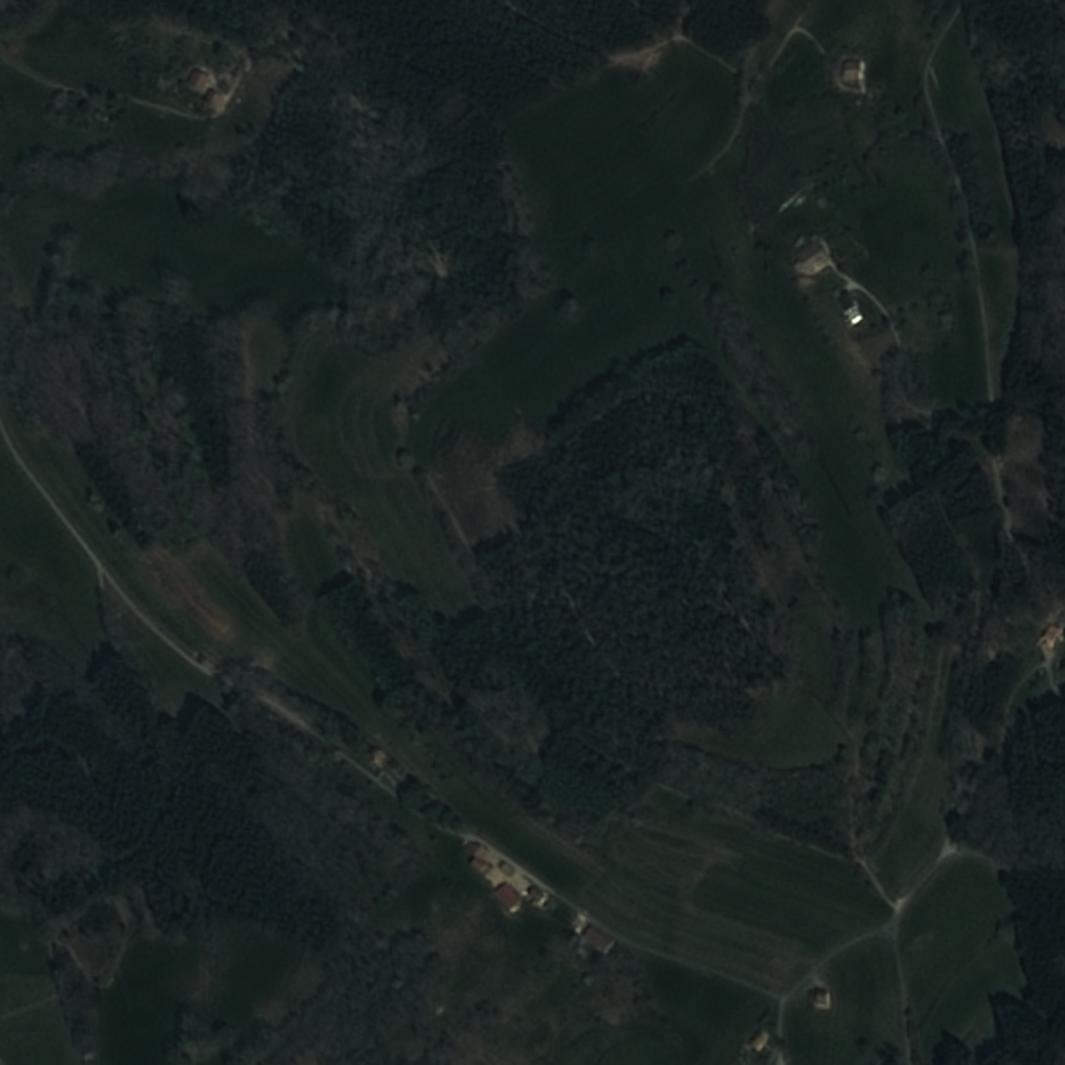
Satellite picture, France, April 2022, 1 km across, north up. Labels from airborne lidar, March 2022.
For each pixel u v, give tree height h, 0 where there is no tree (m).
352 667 0
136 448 29
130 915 0
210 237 0
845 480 0
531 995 0
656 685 15
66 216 0
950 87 0
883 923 0
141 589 0
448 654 34
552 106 0
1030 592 30
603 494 13
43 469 0
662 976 0
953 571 31
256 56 13
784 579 0
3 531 0
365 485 0
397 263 14
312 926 27
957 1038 0
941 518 30
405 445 0
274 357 0
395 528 0
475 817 0
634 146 0
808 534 28
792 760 0
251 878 27
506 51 25
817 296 0
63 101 10
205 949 23
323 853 16
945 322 10
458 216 22
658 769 21
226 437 11
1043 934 23
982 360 0
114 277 0
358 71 25
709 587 24
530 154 0
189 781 31
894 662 20
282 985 0
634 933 0
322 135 21
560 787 26
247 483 32
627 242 0
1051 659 0
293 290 0
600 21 24
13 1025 0
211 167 0
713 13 20
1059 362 33
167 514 30
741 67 10
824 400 0
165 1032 0
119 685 30
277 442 27
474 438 0
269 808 21
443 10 19
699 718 22
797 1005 0
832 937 0
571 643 18
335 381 0
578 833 23
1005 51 22
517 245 17
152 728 34
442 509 14
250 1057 25
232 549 31
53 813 31
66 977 24
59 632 0
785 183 0
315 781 27
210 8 21
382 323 0
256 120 0
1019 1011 25
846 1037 0
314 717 26
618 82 0
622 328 0
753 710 19
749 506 6
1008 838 29
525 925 0
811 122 0
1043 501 0
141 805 34
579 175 0
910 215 0
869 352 0
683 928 0
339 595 22
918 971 0
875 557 0
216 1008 0
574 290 0
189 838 33
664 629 22
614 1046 0
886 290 0
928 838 0
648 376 19
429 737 28
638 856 0
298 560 0
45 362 32
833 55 10
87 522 0
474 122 30
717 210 0
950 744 7
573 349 0
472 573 20
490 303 23
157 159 0
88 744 27
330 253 21
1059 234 35
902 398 26
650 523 12
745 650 18
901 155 0
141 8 27
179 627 0
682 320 0
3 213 28
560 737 17
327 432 0
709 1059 0
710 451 14
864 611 0
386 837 29
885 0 0
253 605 0
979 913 0
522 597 22
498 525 0
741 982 0
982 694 28
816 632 0
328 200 26
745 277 0
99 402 32
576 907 0
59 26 0
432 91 29
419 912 0
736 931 0
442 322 26
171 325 9
